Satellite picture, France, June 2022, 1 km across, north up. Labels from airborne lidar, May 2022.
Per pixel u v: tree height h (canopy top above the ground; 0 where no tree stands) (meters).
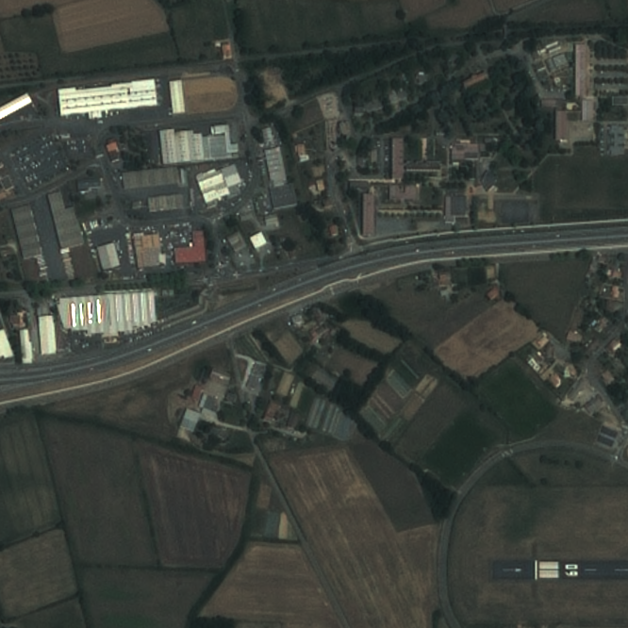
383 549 0
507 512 0
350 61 13
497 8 0
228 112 0
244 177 0
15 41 0
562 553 0
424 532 0
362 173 10
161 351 0
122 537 0
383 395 0
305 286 0
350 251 0
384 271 0
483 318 0
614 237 0
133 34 0
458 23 0
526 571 0
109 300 0
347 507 0
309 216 28
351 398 19
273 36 0
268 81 0
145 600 0
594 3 0
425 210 7
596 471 0
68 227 0
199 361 0
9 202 0
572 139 0
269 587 0
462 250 0
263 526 0
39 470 0
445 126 26
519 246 0
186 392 9
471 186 0
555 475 0
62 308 0
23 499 0
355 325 0
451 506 9
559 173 0
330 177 0
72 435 0
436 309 0
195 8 0
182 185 0
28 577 0
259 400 14
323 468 0
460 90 21
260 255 0
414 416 0
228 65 0
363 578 0
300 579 0
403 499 0
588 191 0
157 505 0
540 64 0
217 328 0
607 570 0
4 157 0
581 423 0
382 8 0
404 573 0
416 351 0
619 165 0
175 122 0
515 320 0
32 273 0
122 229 0
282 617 0
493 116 20
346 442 0
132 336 0
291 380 0
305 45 12
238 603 0
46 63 0
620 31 22
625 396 14
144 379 0
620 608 0
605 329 0
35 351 0
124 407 0
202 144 0
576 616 0
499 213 0
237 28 7
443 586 0
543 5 0
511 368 0
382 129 14
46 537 0
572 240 0
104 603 0
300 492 0
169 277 17
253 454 0
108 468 0
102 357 0
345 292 0
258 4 0
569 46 0
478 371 0
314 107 0
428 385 0
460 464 0
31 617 0
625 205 0
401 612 0
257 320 0
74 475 0
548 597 0
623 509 0
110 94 0
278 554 0
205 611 0
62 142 0
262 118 10
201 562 0
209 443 7
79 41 0
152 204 0
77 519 0
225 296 0
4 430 0
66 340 0
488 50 11
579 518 0
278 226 0
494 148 13
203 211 0
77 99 0
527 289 0
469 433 0
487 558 0
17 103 0
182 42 0
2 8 0
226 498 0
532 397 0
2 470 0
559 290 0
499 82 16
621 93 10
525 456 0
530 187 12
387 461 0
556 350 0
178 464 0
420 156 0
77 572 0
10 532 0
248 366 0
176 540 0
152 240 0
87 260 0
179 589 0
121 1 0
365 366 0
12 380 0
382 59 11
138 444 0
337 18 0
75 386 0
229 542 0
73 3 0
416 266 0
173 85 0
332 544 0
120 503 0
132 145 7
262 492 0
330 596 0
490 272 0
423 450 0
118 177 0
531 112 15
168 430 0
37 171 0
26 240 0
